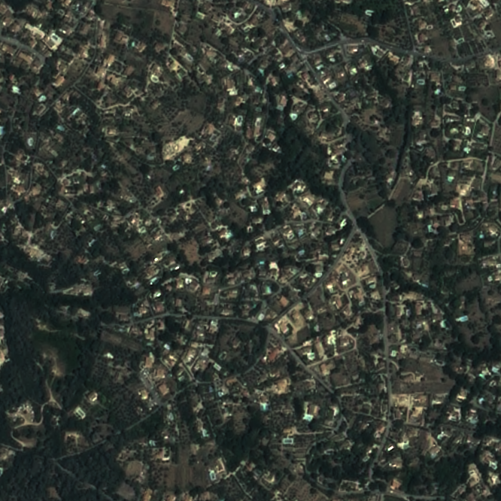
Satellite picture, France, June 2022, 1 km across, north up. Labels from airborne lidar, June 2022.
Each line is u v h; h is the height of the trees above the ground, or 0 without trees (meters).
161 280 9
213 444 0
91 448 6
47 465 21
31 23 8
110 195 7
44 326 0
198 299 5
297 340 0
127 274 7
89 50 8
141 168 14
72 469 14
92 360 15
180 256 13
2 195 11
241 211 0
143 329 5
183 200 14
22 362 8
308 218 9
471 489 11
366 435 15
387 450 6
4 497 17
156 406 7
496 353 20
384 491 8
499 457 14
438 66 12
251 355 7
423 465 8
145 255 6
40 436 13
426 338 8
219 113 6
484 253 7
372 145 24
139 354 8
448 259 14
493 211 7
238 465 12
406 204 6
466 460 10
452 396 11
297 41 7
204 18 0
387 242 0
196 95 6
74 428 16
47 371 15
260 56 8
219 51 6
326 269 9
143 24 8
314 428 23
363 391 12
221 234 0
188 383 6
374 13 9
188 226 7
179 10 9
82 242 19
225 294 7
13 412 14
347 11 16
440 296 13
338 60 6
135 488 15
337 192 9
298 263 10
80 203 12
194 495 12
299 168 10
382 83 7
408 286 8
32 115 9
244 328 0
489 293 8
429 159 9
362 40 0
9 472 12
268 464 10
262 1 7
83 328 14
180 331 11
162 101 7
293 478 12
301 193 7
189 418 9
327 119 5
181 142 0
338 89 7
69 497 12
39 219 7
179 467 0
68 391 17
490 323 6
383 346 6
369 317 14
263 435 11
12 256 10
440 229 18
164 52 7
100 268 7
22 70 13
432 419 7
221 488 7
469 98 12
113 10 0
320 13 8
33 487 10
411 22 6
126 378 8
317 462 13
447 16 8
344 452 12
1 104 12
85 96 7
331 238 14
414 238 6
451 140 9
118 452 11
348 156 16
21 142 7
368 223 16
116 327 7
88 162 9
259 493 7
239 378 6
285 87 8
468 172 9
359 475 9
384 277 7
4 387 6
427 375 0
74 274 21
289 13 8
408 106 12
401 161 18
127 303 8
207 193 16
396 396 0
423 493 15
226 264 15
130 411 7
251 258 7
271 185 12
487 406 19
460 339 12
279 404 5
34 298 22
